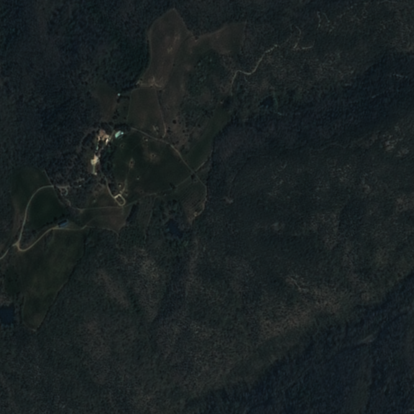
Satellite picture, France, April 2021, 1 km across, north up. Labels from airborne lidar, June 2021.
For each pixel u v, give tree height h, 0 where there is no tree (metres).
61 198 8
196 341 6
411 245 18
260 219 5
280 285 8
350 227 7
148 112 0
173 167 0
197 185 0
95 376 8
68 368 7
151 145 0
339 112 7
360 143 0
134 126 10
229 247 7
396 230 6
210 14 8
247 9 6
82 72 7
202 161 0
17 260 0
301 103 13
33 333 6
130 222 9
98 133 8
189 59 0
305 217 10
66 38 7
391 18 7
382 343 19
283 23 7
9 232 0
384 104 7
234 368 11
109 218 0
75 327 8
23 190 0
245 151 8
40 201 0
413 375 8
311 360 22
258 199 6
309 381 12
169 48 0
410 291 9
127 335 6
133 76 8
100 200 0
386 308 20
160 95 0
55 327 8
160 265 6
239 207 7
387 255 8
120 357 9
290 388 12
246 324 6
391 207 8
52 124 26
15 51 6
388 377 19
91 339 5
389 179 7
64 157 13
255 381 9
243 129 15
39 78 8
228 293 9
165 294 7
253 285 6
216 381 9
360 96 7
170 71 0
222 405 7
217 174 7
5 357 11
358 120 12
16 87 14
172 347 7
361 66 6
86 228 0
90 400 8
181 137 0
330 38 6
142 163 0
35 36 8
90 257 11
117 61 8
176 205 16
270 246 6
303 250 8
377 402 19
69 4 16
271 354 17
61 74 8
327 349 21
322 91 20
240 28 0
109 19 5
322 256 9
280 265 7
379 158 6
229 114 19
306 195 10
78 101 11
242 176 6
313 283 6
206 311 6
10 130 11
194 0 8
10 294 7
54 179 11
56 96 18
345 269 8
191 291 5
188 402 24
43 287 0
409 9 8
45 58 9
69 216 7
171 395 9
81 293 13
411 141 7
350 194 9
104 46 12
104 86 0
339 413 17
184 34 0
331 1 6
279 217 6
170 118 0
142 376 9
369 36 9
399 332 15
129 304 10
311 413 16
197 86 7
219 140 14
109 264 14
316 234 8
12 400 6
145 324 19
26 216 0
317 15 7
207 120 0
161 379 8
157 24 0
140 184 0
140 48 8
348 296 11
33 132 9
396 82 6
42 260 0
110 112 0
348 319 16
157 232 15
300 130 6
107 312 13
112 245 7
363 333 15
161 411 14
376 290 11
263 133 7
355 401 20
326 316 12
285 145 9
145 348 9
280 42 7
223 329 6
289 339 23
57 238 0
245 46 7
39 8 8
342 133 7
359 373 14
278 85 6
